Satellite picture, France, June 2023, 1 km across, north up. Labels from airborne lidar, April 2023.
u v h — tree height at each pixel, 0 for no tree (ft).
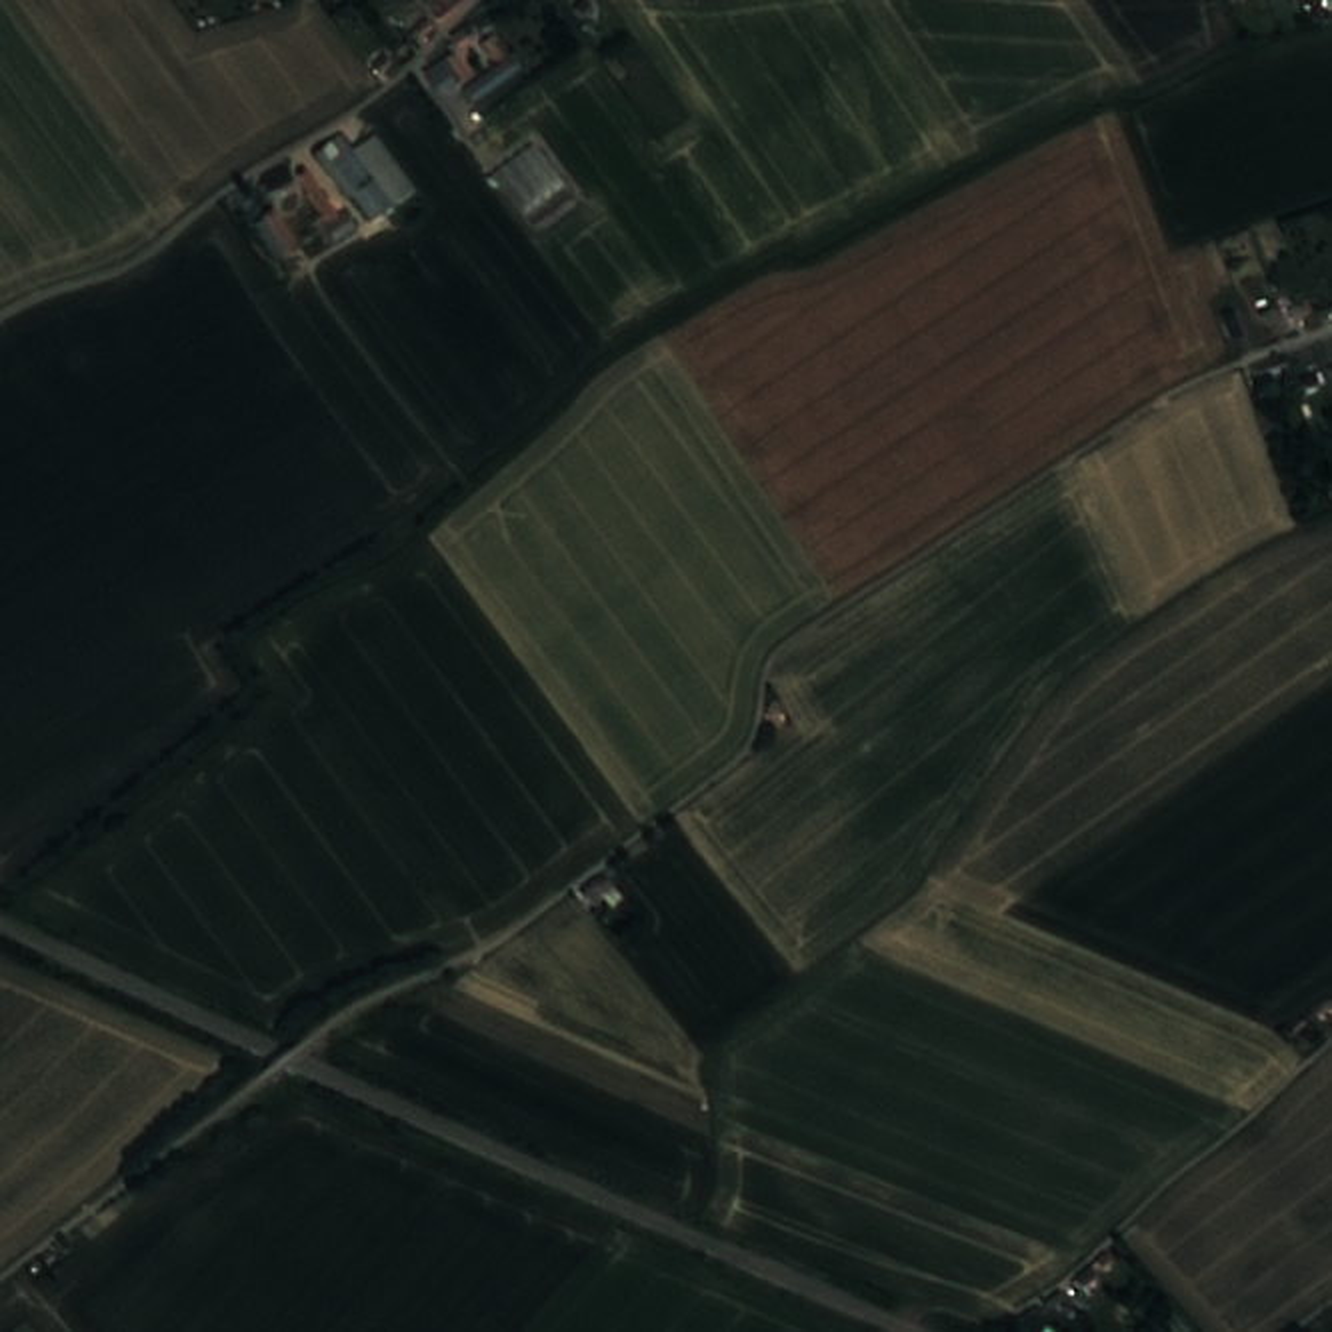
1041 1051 0
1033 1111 0
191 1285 0
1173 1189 0
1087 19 0
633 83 0
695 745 0
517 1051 0
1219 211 0
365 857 0
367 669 0
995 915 0
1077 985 0
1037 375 0
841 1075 0
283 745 0
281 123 0
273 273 0
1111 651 0
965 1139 0
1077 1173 0
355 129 0
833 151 0
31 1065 0
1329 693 0
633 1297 0
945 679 0
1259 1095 0
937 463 0
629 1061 0
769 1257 0
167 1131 48
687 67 0
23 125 0
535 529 0
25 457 0
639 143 0
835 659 0
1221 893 0
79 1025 0
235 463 0
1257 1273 0
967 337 0
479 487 0
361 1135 0
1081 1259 0
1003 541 0
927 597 0
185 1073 0
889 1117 0
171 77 0
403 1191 0
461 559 0
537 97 0
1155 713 0
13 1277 0
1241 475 0
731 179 0
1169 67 0
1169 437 0
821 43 0
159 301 0
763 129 0
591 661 0
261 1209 0
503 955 0
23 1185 0
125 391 0
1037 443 0
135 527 0
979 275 0
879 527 0
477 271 0
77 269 0
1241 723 0
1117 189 0
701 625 0
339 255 0
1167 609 0
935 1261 0
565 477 0
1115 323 0
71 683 0
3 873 0
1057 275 0
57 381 0
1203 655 0
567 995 0
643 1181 0
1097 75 0
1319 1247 0
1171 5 0
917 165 0
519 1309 0
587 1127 0
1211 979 0
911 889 0
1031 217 0
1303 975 0
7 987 0
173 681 0
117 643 0
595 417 0
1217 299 0
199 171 0
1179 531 0
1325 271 0
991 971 0
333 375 0
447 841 0
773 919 0
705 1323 0
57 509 0
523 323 0
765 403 0
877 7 0
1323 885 0
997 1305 0
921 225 0
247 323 0
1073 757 0
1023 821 0
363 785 0
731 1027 0
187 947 0
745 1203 0
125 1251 0
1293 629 0
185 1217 0
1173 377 0
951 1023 0
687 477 0
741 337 0
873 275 0
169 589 0
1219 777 0
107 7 0
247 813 0
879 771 0
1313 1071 0
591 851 0
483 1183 0
